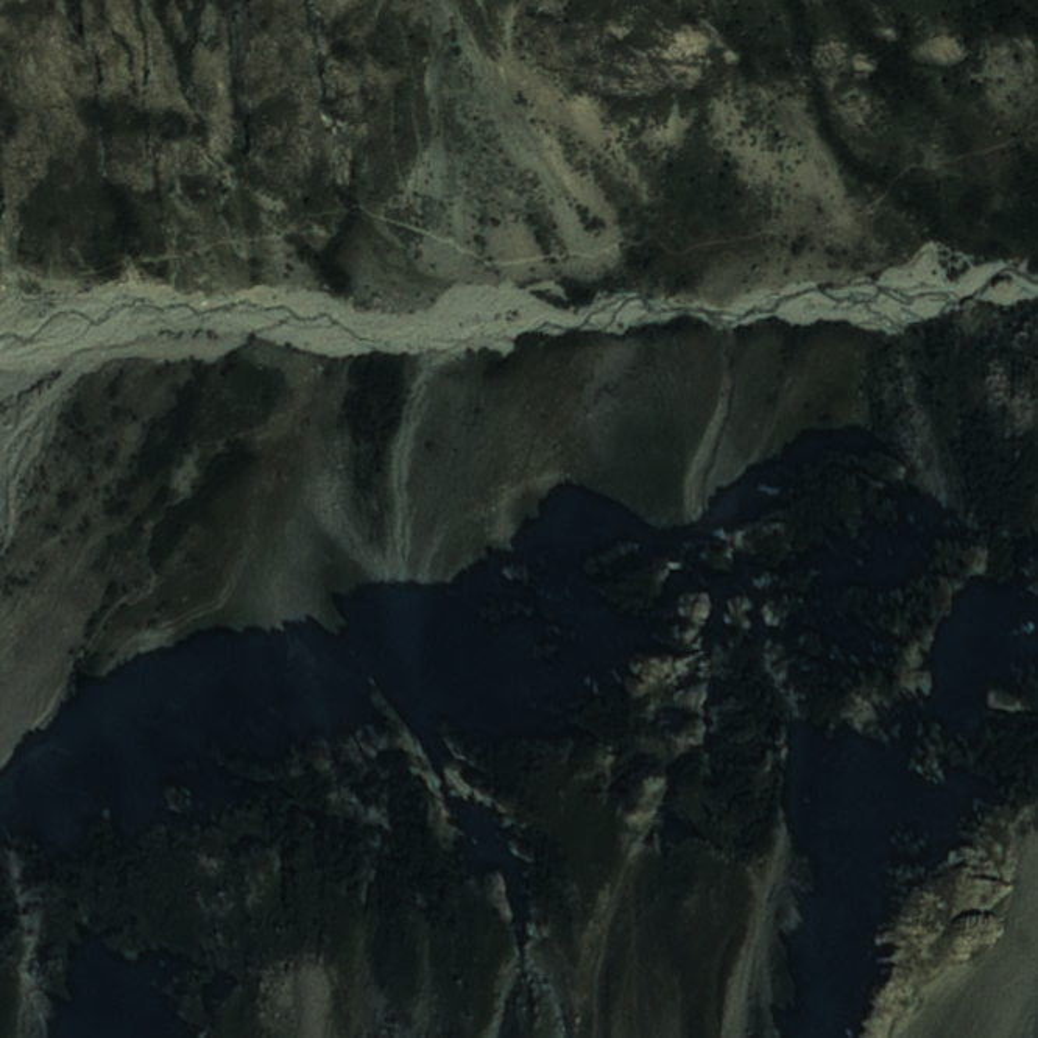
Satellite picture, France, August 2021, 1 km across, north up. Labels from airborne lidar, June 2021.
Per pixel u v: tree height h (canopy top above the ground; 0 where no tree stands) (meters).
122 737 0
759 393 0
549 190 0
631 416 0
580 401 0
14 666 0
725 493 0
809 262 0
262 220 0
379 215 0
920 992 0
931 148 0
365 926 0
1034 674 12
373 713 6
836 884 0
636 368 0
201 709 6
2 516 0
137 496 0
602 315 0
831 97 0
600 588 8
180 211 0
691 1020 0
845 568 9
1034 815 0
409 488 0
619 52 0
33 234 0
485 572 0
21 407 0
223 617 0
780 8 0
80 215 0
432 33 0
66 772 5
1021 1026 0
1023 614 6
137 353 0
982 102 0
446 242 0
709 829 0
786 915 0
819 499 5
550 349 0
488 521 0
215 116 0
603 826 0
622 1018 0
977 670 9
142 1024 0
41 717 0
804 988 0
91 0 0
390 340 0
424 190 0
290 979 0
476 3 0
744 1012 0
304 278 0
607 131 0
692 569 5
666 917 0
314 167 0
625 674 7
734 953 0
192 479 0
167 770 6
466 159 0
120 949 0
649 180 0
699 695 0
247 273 0
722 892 0
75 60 0
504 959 0
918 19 0
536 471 0
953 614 6
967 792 0
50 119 0
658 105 0
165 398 0
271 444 0
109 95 0
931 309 0
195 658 0
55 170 0
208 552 0
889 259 0
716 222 0
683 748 0
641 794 0
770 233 0
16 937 0
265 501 0
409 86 0
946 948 0
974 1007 0
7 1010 0
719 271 0
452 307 0
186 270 0
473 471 0
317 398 0
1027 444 6
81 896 0
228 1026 0
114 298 0
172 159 0
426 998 0
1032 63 0
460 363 0
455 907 0
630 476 0
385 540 0
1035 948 0
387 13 0
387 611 0
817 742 6
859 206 0
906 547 9
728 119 0
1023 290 0
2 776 0
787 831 0
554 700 11
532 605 13
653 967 0
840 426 0
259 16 0
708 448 0
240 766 6
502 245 0
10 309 0
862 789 0
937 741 17
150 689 0
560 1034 0
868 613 7
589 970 0
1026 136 0
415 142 0
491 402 0
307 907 0
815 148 0
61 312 0
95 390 0
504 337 0
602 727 5
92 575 0
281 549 0
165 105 0
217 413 0
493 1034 0
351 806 0
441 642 6
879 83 15
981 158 0
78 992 0
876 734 0
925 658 0
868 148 0
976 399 0
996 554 6
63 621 0
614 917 0
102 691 0
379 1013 0
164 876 0
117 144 0
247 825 0
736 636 7
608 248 0
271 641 0
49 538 0
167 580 0
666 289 0
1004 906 0
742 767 6
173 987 0
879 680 18
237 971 0
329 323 0
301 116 0
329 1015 0
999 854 0
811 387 0
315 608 0
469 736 8
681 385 0
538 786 0
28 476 0
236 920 0
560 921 0
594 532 7
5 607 0
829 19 0
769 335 0
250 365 0
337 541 0
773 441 0
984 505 6
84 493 0
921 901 0
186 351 0
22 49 0
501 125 0
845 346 0
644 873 0
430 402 0
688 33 0
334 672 6
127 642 0
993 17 6
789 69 11
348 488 0
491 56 0
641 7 0
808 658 6
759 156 0
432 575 0
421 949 0
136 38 0
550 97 0
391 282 0
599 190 0
